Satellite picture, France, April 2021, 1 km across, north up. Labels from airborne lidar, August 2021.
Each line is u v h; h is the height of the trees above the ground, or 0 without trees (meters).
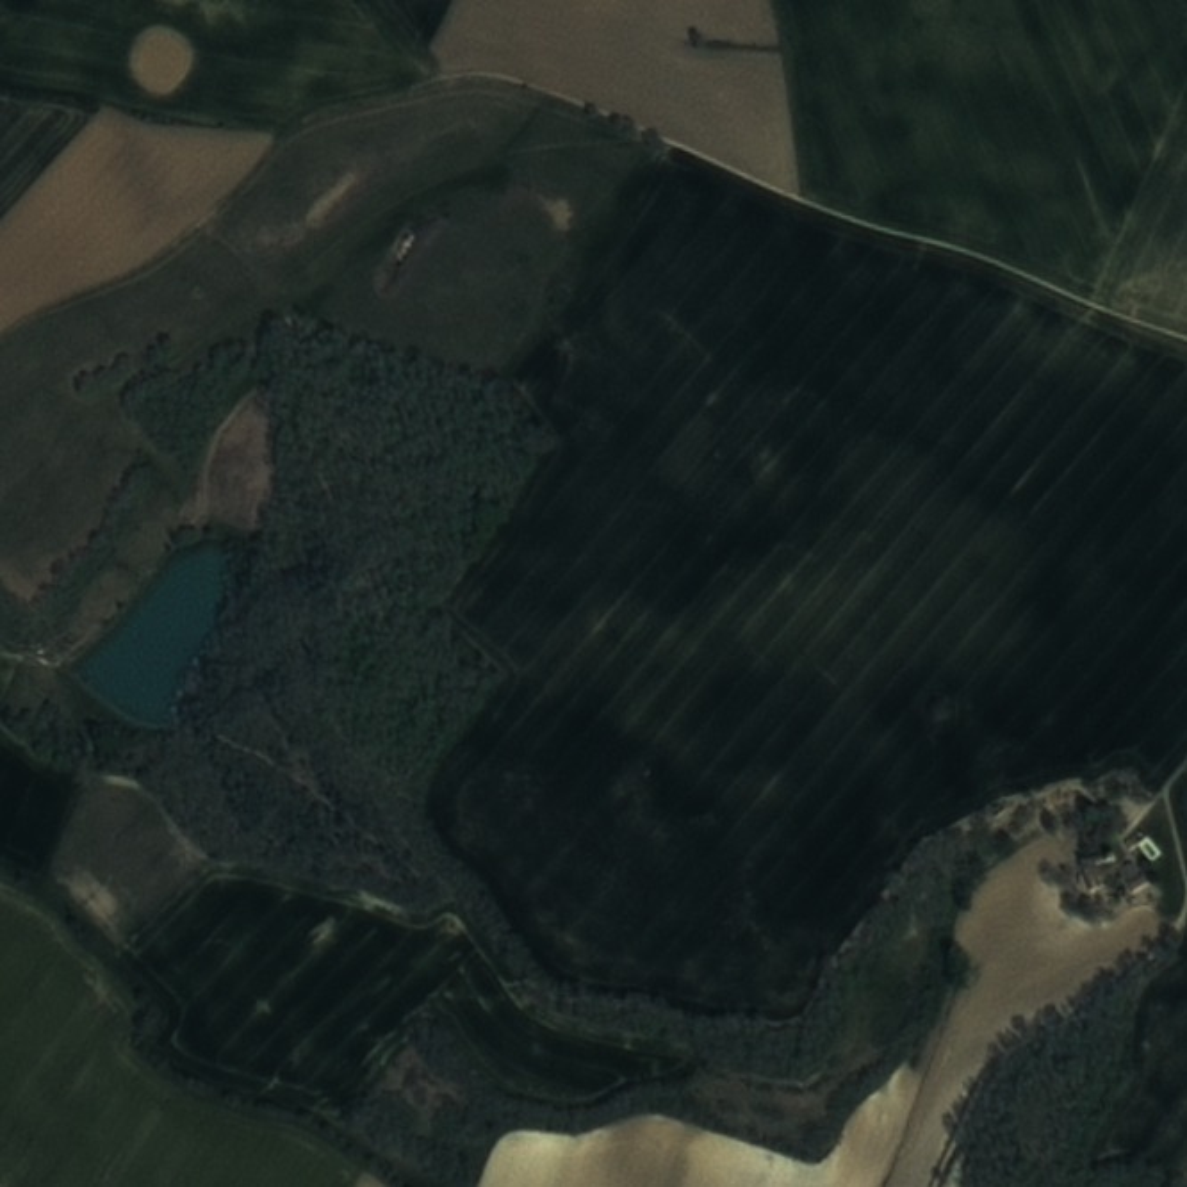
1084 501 0
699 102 0
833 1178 0
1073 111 0
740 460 0
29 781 0
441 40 0
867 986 16
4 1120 0
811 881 0
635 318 0
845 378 0
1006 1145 17
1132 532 0
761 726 0
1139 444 0
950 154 0
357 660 12
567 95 0
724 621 0
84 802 0
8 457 0
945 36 0
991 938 0
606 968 0
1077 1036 22
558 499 0
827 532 0
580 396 0
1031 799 9
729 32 0
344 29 0
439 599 18
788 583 0
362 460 15
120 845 0
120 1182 0
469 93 0
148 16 0
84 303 0
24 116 0
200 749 13
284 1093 0
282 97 0
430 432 21
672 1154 0
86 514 0
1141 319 0
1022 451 0
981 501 0
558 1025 0
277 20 0
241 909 0
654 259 0
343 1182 0
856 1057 0
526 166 0
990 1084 13
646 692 0
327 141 0
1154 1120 0
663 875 0
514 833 0
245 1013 0
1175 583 0
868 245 0
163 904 0
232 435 0
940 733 0
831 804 0
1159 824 0
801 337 0
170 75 0
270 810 14
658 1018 23
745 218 0
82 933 12
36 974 0
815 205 0
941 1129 0
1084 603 0
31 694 0
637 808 0
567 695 0
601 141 0
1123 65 0
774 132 0
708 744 0
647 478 0
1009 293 0
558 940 0
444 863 17
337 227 0
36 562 0
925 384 0
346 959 0
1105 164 0
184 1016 0
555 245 0
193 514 0
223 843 17
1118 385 0
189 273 0
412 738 19
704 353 0
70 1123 0
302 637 15
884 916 17
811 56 0
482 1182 8
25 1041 0
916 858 13
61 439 0
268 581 10
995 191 0
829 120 0
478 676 15
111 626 9
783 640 0
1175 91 0
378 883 14
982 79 0
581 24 0
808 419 0
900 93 0
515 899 0
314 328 23
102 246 0
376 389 20
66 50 0
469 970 0
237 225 0
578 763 0
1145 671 0
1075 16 0
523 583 0
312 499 16
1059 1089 17
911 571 0
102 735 19
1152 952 14
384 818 13
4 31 0
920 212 0
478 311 0
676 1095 17
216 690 7
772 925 0
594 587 0
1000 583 0
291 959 0
